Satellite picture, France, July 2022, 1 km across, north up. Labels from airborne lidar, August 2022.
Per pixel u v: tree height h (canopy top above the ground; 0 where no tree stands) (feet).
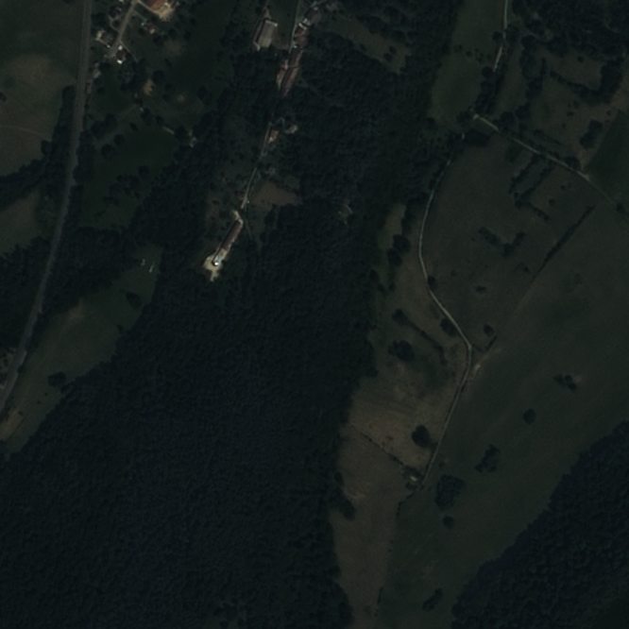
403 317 51
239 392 74
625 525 93
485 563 0
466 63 0
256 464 78
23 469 82
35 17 0
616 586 47
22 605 81
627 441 90
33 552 75
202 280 47
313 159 40
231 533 79
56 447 83
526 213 0
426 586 0
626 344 0
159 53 0
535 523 0
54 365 0
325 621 89
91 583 82
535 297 0
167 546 88
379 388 0
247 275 22
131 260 28
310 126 56
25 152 0
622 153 0
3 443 33
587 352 0
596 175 0
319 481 47
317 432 91
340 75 37
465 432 0
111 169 0
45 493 66
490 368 0
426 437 68
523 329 0
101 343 0
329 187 52
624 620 36
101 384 76
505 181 0
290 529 71
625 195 0
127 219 0
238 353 76
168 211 54
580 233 0
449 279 0
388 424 0
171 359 77
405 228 31
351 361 88
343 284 63
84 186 31
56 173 61
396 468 0
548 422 0
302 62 25
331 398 90
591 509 76
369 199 65
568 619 82
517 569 105
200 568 75
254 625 55
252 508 70
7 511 55
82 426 59
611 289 0
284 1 0
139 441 54
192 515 71
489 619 59
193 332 68
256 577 73
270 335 59
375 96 48
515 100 0
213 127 50
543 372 0
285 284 59
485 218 0
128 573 77
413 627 0
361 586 0
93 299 0
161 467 68
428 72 60
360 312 83
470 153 0
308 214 58
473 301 0
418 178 24
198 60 0
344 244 50
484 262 0
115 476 66
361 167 54
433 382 0
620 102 0
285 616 75
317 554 88
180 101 0
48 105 0
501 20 0
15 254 57
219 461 77
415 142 70
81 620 61
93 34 19
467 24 0
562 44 61
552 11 68
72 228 77
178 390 87
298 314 63
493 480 0
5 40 0
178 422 81
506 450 0
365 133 35
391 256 54
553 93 0
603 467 92
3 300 55
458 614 62
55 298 70
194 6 22
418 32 44
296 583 85
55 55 0
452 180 0
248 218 21
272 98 62
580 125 0
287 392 59
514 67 0
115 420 83
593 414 0
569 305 0
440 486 25
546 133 36
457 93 0
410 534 0
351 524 0
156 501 73
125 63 21
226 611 22
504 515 0
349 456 0
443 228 0
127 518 83
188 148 55
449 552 0
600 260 0
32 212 0
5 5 0
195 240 59
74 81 0
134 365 67
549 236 0
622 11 86
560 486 0
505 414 0
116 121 50
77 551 80
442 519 0
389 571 0
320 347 63
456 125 0
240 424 85
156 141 0
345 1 75
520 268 0
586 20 47
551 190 0
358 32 0
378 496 0
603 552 49
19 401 0
